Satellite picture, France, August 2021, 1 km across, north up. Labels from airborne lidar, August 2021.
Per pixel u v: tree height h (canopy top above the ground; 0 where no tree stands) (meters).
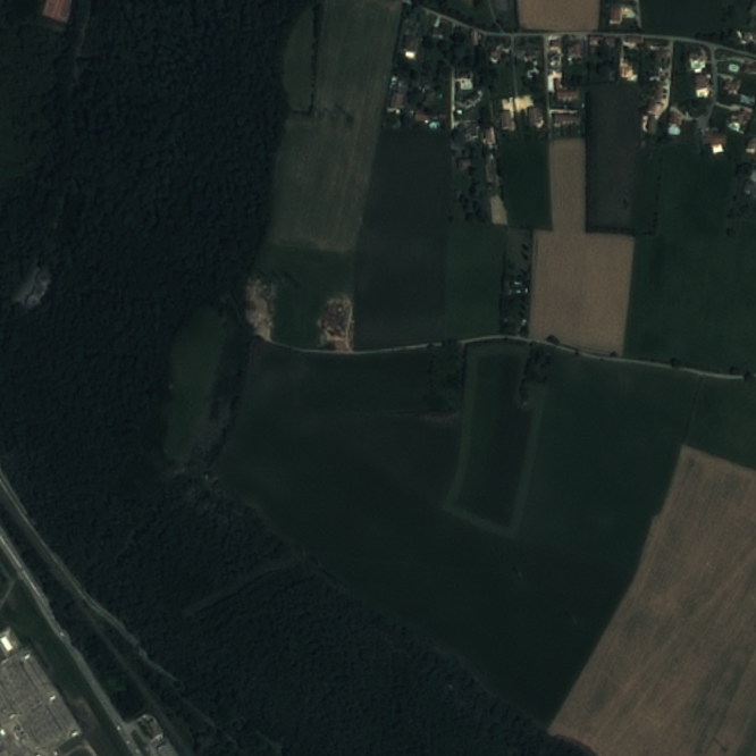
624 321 0
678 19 0
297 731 16
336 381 0
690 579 0
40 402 19
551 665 0
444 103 0
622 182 0
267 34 19
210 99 21
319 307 0
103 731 0
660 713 0
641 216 0
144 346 17
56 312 19
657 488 0
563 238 0
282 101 18
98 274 20
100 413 21
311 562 0
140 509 20
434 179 0
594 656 0
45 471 14
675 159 0
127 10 23
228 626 19
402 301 0
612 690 0
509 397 0
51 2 0
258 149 21
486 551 0
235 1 25
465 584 0
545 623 0
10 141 0
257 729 15
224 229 22
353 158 0
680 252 0
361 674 18
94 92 18
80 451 14
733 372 8
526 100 0
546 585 0
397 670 16
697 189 0
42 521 9
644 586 0
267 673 18
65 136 22
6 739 0
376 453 0
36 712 0
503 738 9
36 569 16
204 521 13
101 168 20
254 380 0
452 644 0
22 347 19
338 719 18
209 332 0
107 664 16
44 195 16
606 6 6
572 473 0
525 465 0
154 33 19
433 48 9
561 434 0
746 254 0
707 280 0
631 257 0
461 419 0
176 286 22
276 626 18
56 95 12
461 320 0
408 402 0
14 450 16
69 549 12
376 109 0
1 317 15
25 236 14
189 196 16
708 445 0
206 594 17
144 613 16
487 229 0
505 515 0
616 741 0
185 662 19
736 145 0
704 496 0
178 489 9
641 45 7
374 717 16
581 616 0
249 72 20
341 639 20
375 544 0
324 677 17
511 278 7
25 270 13
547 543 0
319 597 13
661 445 0
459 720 14
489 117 11
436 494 0
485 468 0
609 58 7
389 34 0
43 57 10
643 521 0
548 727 0
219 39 22
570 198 0
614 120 0
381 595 0
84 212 21
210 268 20
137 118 7
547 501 0
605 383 0
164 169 19
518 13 6
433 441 0
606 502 0
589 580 0
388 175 0
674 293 0
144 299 20
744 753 0
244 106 22
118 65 21
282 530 0
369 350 0
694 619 0
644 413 0
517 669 0
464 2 0
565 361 0
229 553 18
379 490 0
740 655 0
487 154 12
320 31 10
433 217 0
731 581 0
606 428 0
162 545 18
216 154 20
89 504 18
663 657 0
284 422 0
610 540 0
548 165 0
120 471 17
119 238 25
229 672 19
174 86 21
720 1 0
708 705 0
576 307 0
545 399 0
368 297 0
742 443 0
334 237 0
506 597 0
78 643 13
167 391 6
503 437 0
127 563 16
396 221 0
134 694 18
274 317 0
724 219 0
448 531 0
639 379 0
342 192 0
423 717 17
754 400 0
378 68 0
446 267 0
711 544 0
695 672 0
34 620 0
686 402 0
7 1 13
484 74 20
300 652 22
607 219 0
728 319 0
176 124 26
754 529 0
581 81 12
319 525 0
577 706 0
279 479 0
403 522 0
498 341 7
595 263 0
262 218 17
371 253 0
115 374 20
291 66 0
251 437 0
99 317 19
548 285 0
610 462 0
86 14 15
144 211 22
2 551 0
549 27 0
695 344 0
